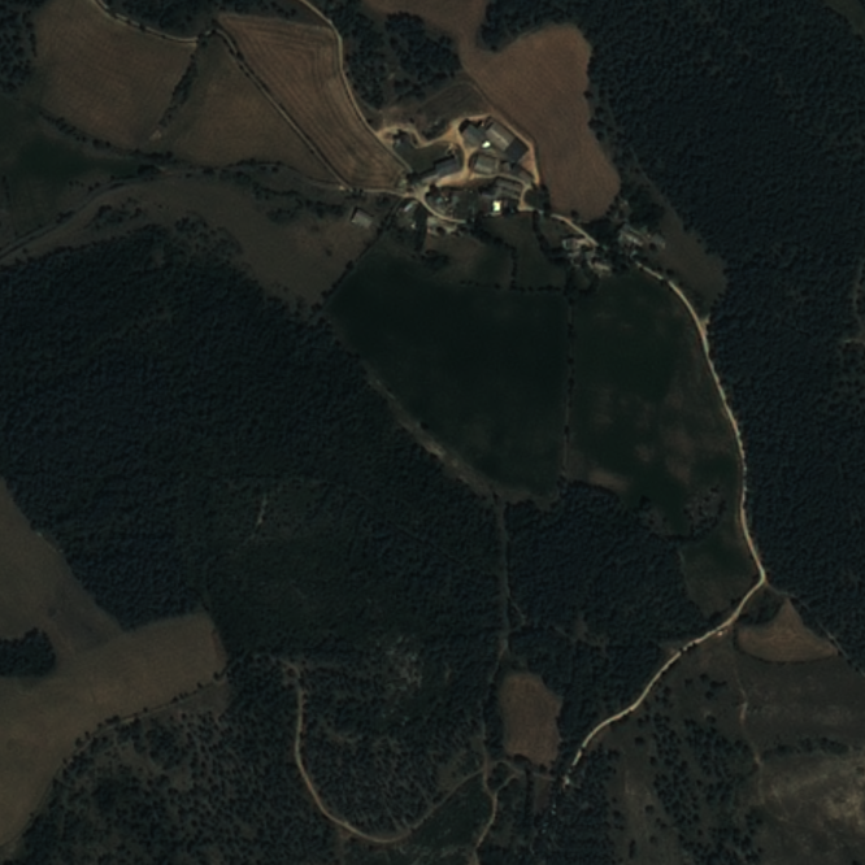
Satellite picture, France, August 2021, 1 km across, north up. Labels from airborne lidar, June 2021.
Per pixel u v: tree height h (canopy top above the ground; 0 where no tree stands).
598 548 10
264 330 12
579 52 0
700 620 9
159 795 8
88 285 8
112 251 8
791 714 0
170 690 0
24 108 0
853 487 15
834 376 10
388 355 0
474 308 0
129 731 9
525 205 0
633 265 11
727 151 12
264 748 16
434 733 10
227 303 11
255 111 0
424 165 0
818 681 0
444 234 7
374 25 8
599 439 0
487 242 12
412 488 7
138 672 0
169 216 0
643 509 7
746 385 8
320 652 12
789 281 11
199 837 8
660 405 0
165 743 10
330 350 9
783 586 9
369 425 7
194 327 9
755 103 14
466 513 6
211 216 0
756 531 9
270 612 7
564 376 0
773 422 12
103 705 0
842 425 10
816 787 0
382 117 0
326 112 0
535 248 0
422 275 0
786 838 0
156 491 10
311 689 10
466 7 0
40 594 0
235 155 0
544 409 0
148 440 6
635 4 13
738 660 0
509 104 0
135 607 13
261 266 0
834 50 10
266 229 0
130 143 0
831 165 11
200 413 7
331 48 0
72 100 0
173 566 14
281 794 14
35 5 7
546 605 14
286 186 0
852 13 0
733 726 0
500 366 0
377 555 9
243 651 8
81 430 13
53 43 0
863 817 0
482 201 0
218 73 0
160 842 8
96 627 0
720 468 0
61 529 7
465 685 10
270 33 0
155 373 17
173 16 11
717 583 0
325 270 0
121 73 0
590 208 0
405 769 11
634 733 0
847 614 9
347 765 11
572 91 0
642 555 9
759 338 13
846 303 10
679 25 10
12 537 0
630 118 11
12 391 9
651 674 11
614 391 0
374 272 0
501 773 6
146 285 6
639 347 0
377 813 13
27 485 12
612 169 0
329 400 12
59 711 0
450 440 0
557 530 13
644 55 15
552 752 0
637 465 0
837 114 8
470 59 0
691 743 10
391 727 7
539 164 0
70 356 8
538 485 0
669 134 13
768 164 10
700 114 12
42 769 0
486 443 0
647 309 0
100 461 10
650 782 0
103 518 14
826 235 13
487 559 6
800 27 10
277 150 0
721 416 0
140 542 13
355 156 0
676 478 0
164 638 0
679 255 0
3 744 0
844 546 13
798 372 15
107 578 14
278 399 10
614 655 12
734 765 0
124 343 8
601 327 0
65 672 0
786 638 0
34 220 0
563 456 0
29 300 9
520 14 8
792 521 10
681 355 0
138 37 0
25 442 15
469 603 11
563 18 14
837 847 0
